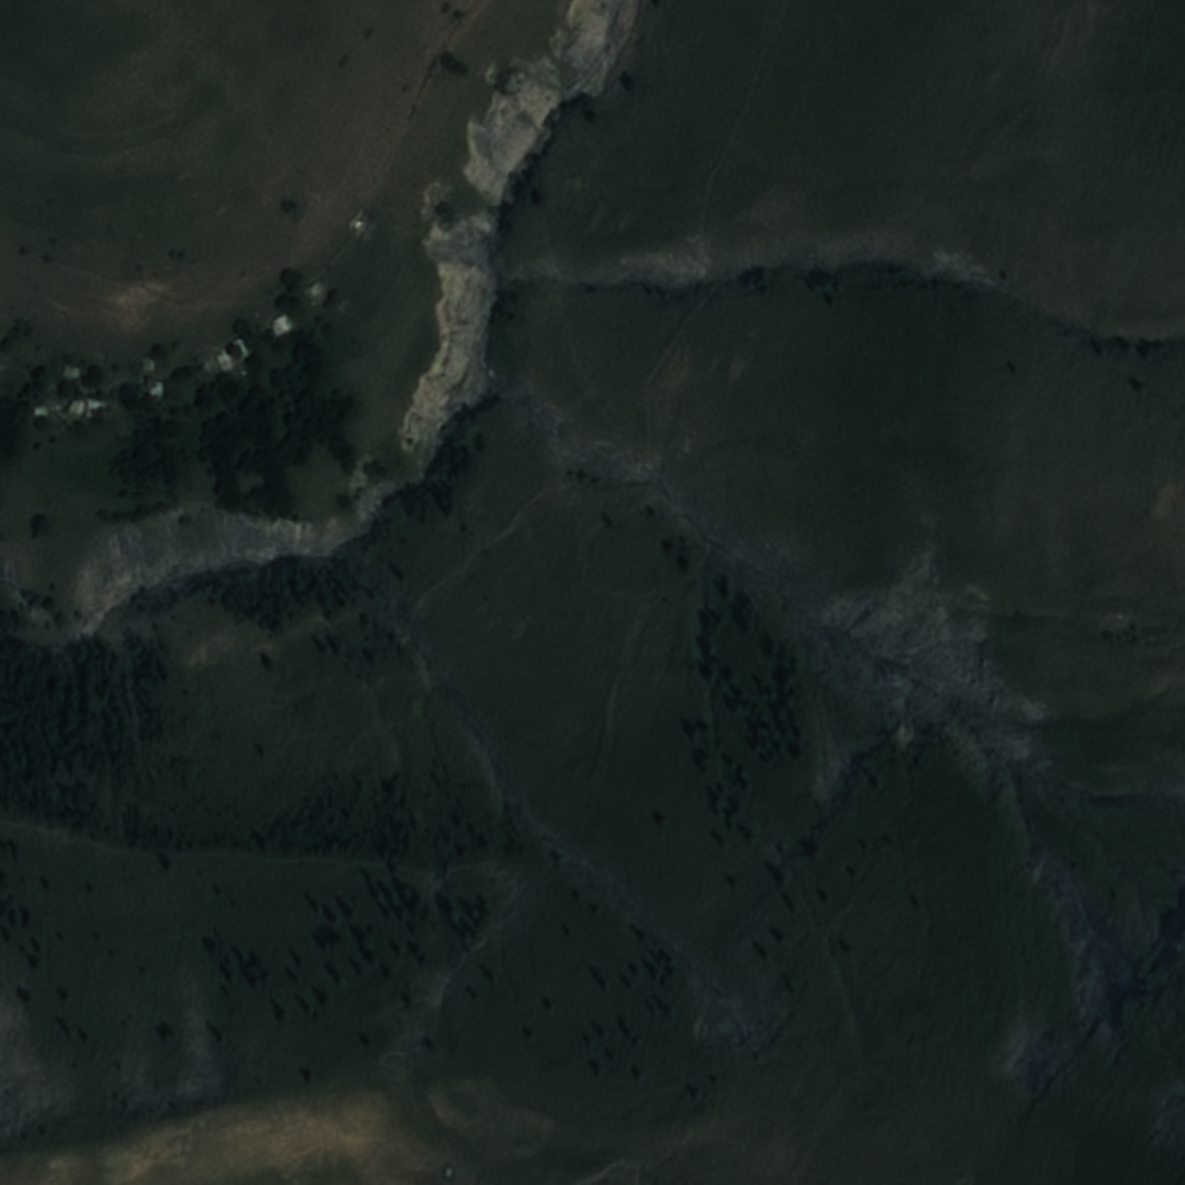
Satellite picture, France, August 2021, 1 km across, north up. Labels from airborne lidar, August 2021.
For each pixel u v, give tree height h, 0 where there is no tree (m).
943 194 0
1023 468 0
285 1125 0
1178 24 0
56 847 0
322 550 0
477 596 0
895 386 0
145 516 10
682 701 0
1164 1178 0
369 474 9
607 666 0
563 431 0
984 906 0
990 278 0
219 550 0
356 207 0
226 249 0
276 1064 0
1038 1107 0
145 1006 0
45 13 0
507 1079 0
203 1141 0
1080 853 0
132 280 0
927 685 0
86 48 0
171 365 0
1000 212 0
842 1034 0
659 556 0
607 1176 0
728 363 0
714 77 0
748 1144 0
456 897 0
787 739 12
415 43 0
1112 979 0
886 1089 0
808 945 0
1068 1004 0
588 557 0
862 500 0
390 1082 0
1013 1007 0
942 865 0
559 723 0
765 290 13
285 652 0
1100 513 0
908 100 0
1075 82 0
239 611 8
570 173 0
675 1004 0
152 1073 0
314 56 0
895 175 0
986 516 0
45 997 0
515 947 0
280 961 0
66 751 9
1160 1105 0
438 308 0
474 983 0
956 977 0
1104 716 0
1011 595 0
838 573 0
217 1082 0
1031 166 0
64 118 0
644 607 0
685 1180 0
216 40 0
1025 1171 0
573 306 0
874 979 0
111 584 0
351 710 0
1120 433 0
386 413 0
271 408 17
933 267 0
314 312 0
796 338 0
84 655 15
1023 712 0
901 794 0
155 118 0
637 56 0
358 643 0
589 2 0
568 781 0
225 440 15
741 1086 0
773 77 0
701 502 0
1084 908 0
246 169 0
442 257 0
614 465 0
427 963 15
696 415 0
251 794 0
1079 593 0
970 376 0
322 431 15
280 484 15
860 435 0
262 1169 0
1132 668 0
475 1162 0
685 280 0
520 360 0
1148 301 0
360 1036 0
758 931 0
